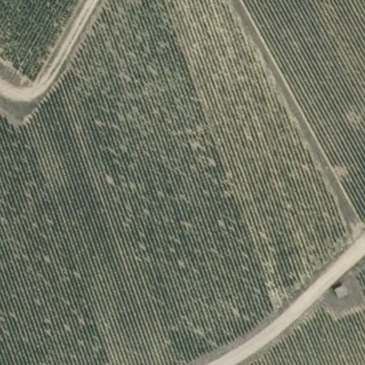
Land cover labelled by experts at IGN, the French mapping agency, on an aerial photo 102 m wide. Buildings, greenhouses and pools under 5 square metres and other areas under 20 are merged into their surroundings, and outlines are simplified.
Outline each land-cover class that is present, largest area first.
<instances>
[{"label":"vineyard","instance_id":"1","mask_svg":"<svg viewBox=\"0 0 365 365\"><path fill-rule=\"evenodd\" d=\"M87 0H0V57L10 60L14 68H19V63L23 61L26 64L23 74L33 81L37 76H43L53 63ZM67 58L70 60L71 70L61 84H58L56 91L50 94L46 103L41 104L40 111L36 117L31 118L29 124L14 127L0 114V365H214V359L221 358L232 349L238 348L281 317L334 262L365 235V0H98ZM241 365H365V304L335 311L329 307L327 299L322 295L304 309L281 334L248 356Z\"/></svg>","mask_w":365,"mask_h":365},{"label":"pervious surface","instance_id":"2","mask_svg":"<svg viewBox=\"0 0 365 365\"><path fill-rule=\"evenodd\" d=\"M98 0H87L53 63L43 76H37L33 81L30 87L17 88L0 77V94L10 100H33L53 83L61 64L67 58ZM365 255V235L334 262L281 317L238 348L232 349L221 358L214 359V365H241L248 356L281 334L304 309L322 295L346 269L351 268Z\"/></svg>","mask_w":365,"mask_h":365},{"label":"herbaceous vegetation","instance_id":"3","mask_svg":"<svg viewBox=\"0 0 365 365\"><path fill-rule=\"evenodd\" d=\"M26 64L23 61L19 63V68H14L10 60L0 57V77L17 88L30 87L33 81L23 74ZM71 70L70 60L67 58L61 64L53 83L33 100H10L0 94V114L14 127L29 124L31 118L36 117L40 111L41 104L46 103L50 94L56 91L58 84H61ZM327 299L329 307L335 311L365 304V255L351 268L346 269L322 295Z\"/></svg>","mask_w":365,"mask_h":365}]
</instances>
